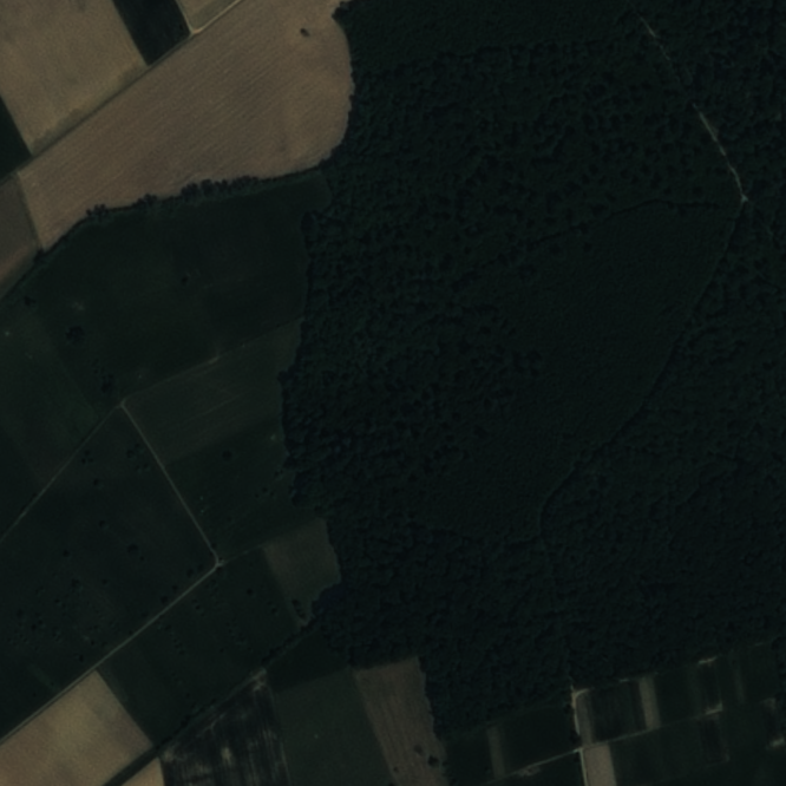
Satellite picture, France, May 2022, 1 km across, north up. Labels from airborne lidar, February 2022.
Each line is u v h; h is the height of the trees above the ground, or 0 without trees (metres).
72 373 0
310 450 29
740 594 30
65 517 0
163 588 0
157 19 0
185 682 0
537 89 30
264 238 0
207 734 0
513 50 25
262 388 0
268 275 0
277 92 0
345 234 26
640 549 29
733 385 30
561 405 16
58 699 0
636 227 13
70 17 0
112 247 0
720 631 26
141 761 0
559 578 28
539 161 23
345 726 0
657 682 0
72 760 0
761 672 0
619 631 30
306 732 0
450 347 28
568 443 25
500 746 0
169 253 0
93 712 0
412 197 27
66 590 0
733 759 0
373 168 25
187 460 0
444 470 21
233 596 0
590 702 0
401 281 22
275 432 0
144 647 0
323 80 0
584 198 28
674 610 32
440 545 34
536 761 0
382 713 0
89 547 0
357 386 12
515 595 29
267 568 0
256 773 0
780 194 28
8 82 0
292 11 0
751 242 23
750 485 34
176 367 0
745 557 30
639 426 26
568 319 14
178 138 0
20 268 0
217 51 0
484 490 17
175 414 0
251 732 0
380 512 24
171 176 0
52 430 0
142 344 0
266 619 0
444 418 17
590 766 0
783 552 28
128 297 0
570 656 22
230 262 0
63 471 0
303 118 0
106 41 0
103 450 0
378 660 27
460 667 31
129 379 0
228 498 0
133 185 0
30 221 0
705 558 30
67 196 0
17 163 0
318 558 0
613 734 0
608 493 31
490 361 26
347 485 27
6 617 0
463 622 33
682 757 0
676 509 33
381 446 19
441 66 27
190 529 0
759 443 34
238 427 0
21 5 0
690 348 29
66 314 0
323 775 0
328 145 0
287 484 0
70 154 0
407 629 34
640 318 13
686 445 30
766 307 30
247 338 0
